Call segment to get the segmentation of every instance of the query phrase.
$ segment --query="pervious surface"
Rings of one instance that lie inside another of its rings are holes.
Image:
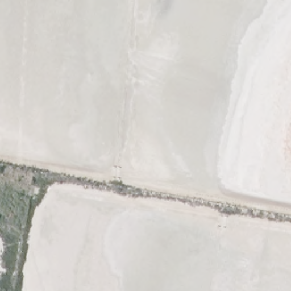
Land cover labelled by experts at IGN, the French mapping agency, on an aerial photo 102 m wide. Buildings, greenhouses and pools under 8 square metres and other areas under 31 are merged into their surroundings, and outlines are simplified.
[[[180,201],[133,198],[120,196],[114,191],[85,189],[78,184],[55,183],[48,186],[43,200],[34,210],[28,234],[22,291],[291,291],[291,223],[272,222],[250,216],[225,215],[213,208],[192,207],[189,203]]]
[[[55,173],[86,177],[98,182],[119,181],[135,188],[165,191],[171,196],[177,194],[183,197],[197,197],[223,202],[225,206],[248,206],[251,209],[291,215],[291,0],[0,0],[0,160],[49,169]]]

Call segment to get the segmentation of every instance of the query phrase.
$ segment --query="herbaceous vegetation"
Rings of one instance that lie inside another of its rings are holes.
[[[197,197],[183,197],[177,194],[171,196],[165,191],[135,188],[119,181],[98,182],[86,177],[55,173],[49,169],[0,160],[0,291],[22,291],[28,234],[34,210],[43,200],[48,186],[55,183],[78,184],[85,189],[114,191],[120,196],[133,198],[180,201],[189,203],[192,207],[213,208],[225,215],[250,216],[272,222],[291,223],[291,215],[251,209],[248,206],[225,206],[223,202]]]

